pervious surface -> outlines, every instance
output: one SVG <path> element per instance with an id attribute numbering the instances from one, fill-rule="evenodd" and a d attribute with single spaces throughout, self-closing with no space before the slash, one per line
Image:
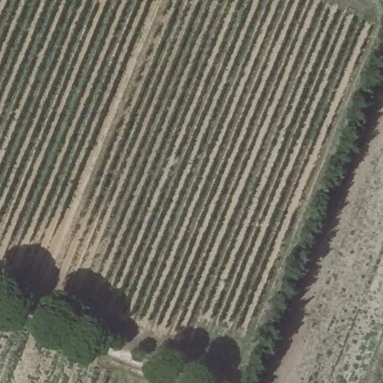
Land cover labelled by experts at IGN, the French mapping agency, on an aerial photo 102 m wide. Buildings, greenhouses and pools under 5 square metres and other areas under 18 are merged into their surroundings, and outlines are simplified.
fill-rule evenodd
<path id="1" fill-rule="evenodd" d="M 127 364 L 142 367 L 142 362 L 135 361 L 130 352 L 123 350 L 111 349 L 108 353 L 109 356 L 123 359 Z"/>

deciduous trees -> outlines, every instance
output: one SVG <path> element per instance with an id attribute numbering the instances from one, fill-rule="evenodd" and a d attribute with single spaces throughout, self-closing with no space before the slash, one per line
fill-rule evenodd
<path id="1" fill-rule="evenodd" d="M 301 328 L 307 305 L 304 299 L 305 292 L 311 284 L 316 283 L 320 259 L 329 253 L 332 238 L 337 235 L 341 209 L 347 205 L 346 197 L 352 187 L 356 168 L 367 156 L 370 142 L 377 136 L 377 124 L 382 117 L 383 108 L 383 16 L 379 48 L 371 52 L 370 60 L 362 70 L 361 85 L 353 94 L 352 103 L 347 108 L 349 124 L 341 129 L 337 151 L 329 157 L 319 180 L 320 190 L 314 191 L 310 205 L 307 206 L 304 227 L 301 229 L 301 242 L 287 257 L 281 290 L 275 292 L 271 310 L 266 313 L 266 322 L 259 328 L 259 346 L 251 353 L 247 367 L 239 370 L 239 383 L 272 383 L 277 379 L 275 371 L 280 367 L 292 344 L 293 335 Z"/>
<path id="2" fill-rule="evenodd" d="M 75 364 L 87 367 L 94 359 L 108 353 L 111 349 L 123 350 L 127 344 L 124 338 L 120 335 L 103 335 L 96 326 L 97 319 L 73 313 L 66 302 L 61 301 L 61 292 L 57 287 L 48 296 L 40 298 L 37 310 L 31 314 L 22 308 L 18 283 L 6 274 L 0 274 L 0 331 L 21 326 L 33 334 L 36 349 L 46 347 L 60 350 L 69 359 L 70 368 Z"/>
<path id="3" fill-rule="evenodd" d="M 142 367 L 145 379 L 150 383 L 214 383 L 214 377 L 206 367 L 196 361 L 187 364 L 181 352 L 166 349 L 165 344 L 160 346 L 156 343 L 156 338 L 145 338 L 130 352 L 135 361 L 142 362 Z"/>

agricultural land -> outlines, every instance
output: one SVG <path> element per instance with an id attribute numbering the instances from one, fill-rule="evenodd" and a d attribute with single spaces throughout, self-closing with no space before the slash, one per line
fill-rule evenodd
<path id="1" fill-rule="evenodd" d="M 370 142 L 367 156 L 356 168 L 352 187 L 346 197 L 347 205 L 341 209 L 337 235 L 332 238 L 329 253 L 320 259 L 316 283 L 311 284 L 305 292 L 304 299 L 307 305 L 301 328 L 293 335 L 292 344 L 280 367 L 275 371 L 277 379 L 272 383 L 383 383 L 383 108 L 382 117 L 377 124 L 377 136 Z"/>

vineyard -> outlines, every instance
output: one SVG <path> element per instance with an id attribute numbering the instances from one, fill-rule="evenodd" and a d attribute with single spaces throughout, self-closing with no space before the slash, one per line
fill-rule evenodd
<path id="1" fill-rule="evenodd" d="M 60 350 L 46 347 L 36 349 L 33 334 L 21 326 L 0 331 L 0 383 L 150 383 L 145 379 L 142 367 L 127 364 L 123 359 L 109 356 L 108 353 L 94 359 L 87 367 L 75 364 L 70 368 L 69 359 Z"/>
<path id="2" fill-rule="evenodd" d="M 66 302 L 73 313 L 97 319 L 96 326 L 103 335 L 120 335 L 124 338 L 127 344 L 123 350 L 130 352 L 145 338 L 156 338 L 156 343 L 160 346 L 165 344 L 166 349 L 181 352 L 187 364 L 196 361 L 206 367 L 214 377 L 214 383 L 239 383 L 239 370 L 247 367 L 251 353 L 259 346 L 259 328 L 266 322 L 266 313 L 271 310 L 275 292 L 281 290 L 287 257 L 301 242 L 301 229 L 304 227 L 307 206 L 310 205 L 314 191 L 320 190 L 319 180 L 329 157 L 337 151 L 341 129 L 349 124 L 347 108 L 352 103 L 353 94 L 361 85 L 362 70 L 370 60 L 371 52 L 379 48 L 383 16 L 383 0 L 0 0 L 0 274 L 6 274 L 18 283 L 22 308 L 31 314 L 37 310 L 40 298 L 48 296 L 57 287 L 61 292 L 61 301 Z"/>

